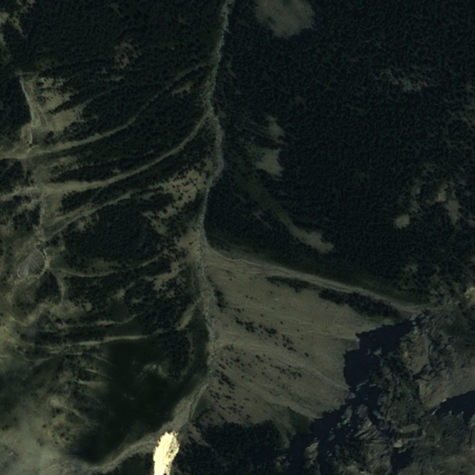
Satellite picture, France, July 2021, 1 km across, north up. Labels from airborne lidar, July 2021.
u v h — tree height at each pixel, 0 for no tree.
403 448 0
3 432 0
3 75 14
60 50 16
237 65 19
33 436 0
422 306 0
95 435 0
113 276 11
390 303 0
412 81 14
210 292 0
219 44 0
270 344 0
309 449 0
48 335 8
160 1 22
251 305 0
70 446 0
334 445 18
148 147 11
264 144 19
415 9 19
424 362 0
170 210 0
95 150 8
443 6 18
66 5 21
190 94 8
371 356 0
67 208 9
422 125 9
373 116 16
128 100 25
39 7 23
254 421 0
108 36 18
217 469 13
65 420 0
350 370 0
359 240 14
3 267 0
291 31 0
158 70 13
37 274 0
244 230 15
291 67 23
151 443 0
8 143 0
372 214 16
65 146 0
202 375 0
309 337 0
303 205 11
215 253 0
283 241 6
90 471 0
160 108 10
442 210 8
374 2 25
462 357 0
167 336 15
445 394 0
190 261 0
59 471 0
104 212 9
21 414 0
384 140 15
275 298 0
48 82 0
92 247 11
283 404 0
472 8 24
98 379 0
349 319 0
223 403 0
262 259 0
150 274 7
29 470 0
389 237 14
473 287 0
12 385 0
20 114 15
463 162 15
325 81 16
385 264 10
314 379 0
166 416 0
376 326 0
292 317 0
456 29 17
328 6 25
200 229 0
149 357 0
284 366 0
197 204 9
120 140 12
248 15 18
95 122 15
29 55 11
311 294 0
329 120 18
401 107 23
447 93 15
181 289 8
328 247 0
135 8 0
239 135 16
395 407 0
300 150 15
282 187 10
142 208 7
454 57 13
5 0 13
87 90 9
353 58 18
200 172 8
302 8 0
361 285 0
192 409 0
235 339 0
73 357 10
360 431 0
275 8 0
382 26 25
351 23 22
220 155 0
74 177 8
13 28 8
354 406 0
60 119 0
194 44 17
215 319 0
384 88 9
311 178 14
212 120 0
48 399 0
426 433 0
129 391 0
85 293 8
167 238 7
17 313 0
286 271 0
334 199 13
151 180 8
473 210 11
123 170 14
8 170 8
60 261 0
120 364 0
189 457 7
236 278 0
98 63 15
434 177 14
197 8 21
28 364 0
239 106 17
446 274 8
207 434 7
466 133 10
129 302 7
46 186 0
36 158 0
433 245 13
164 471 0
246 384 0
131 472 0
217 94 8
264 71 14
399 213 9
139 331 0
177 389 0
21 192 0
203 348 0
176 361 9
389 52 18
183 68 8
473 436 0
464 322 0
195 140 8
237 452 8
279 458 8
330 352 0
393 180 10
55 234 0
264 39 12
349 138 16
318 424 0
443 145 7
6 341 0
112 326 8
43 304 0
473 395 0
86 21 18
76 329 6
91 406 0
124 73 17
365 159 16
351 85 21
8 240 0
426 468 0
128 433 0
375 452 0
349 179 10
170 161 8
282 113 17
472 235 7
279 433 7
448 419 0
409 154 12
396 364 9
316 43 23
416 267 0
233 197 21
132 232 14
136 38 17
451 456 0
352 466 0
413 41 18
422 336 0
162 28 10
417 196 12
